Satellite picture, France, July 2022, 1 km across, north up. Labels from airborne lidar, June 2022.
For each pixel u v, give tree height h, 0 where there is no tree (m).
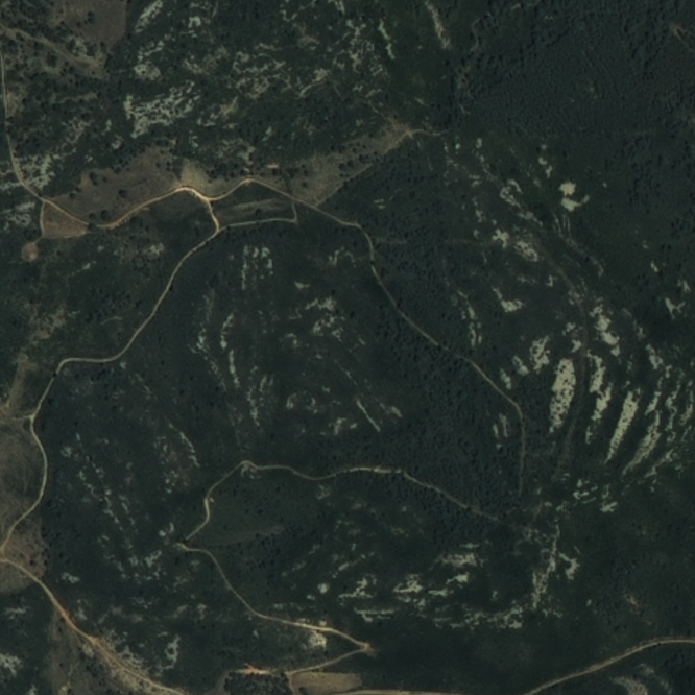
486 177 0
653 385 0
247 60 0
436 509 10
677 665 9
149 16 0
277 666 0
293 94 0
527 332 0
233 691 13
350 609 0
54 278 0
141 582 0
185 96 0
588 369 0
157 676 0
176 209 0
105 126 0
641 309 7
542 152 15
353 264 0
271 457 0
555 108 13
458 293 0
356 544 0
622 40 12
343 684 0
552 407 0
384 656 0
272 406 0
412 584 0
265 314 0
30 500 0
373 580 0
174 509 0
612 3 14
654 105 8
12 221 7
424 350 15
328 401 0
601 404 0
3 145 11
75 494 0
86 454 0
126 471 0
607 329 0
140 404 0
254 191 0
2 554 0
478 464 14
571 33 12
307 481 0
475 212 0
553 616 0
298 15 0
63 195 0
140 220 12
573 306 0
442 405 13
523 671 0
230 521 0
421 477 9
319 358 0
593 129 15
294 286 0
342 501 0
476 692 0
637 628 0
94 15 10
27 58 0
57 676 0
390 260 6
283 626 0
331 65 0
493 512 8
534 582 0
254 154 10
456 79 13
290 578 0
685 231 12
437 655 0
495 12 12
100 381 10
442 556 0
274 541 8
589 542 8
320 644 0
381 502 0
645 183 8
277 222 8
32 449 0
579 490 0
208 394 0
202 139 0
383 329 12
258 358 0
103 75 0
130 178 0
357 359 0
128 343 0
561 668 0
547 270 0
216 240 7
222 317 0
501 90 14
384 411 0
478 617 0
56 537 11
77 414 0
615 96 14
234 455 0
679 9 11
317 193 0
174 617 0
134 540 0
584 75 12
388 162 6
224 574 0
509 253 0
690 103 8
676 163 8
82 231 0
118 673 0
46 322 0
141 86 10
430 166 0
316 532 7
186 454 0
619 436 0
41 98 11
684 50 8
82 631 0
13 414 0
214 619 0
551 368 0
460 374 13
